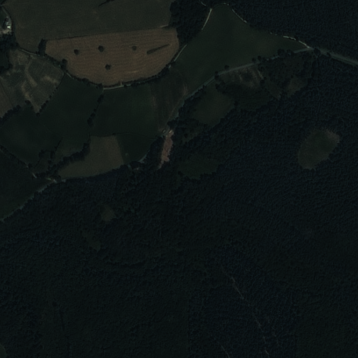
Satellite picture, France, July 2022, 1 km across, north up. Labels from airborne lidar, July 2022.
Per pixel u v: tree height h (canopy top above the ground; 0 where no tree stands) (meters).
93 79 0
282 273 15
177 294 19
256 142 23
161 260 14
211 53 0
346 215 22
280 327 9
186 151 21
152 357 20
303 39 6
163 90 0
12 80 0
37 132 0
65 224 19
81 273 21
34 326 29
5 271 23
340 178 23
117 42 0
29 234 20
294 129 24
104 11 0
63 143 0
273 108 23
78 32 0
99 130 0
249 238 24
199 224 17
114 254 24
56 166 12
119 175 22
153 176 18
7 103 0
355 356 18
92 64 0
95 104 0
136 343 19
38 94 0
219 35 0
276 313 14
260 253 21
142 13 0
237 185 22
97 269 19
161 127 0
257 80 0
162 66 0
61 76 0
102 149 0
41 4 0
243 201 27
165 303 22
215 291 11
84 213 23
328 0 17
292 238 27
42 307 23
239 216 29
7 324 24
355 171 15
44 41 13
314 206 25
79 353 22
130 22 0
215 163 0
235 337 14
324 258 21
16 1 0
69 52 0
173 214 24
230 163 23
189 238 27
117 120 0
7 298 24
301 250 29
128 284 25
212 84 0
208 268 14
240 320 11
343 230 16
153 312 18
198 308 20
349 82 19
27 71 0
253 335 9
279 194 24
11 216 12
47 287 20
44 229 15
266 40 0
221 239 17
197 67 0
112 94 0
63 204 19
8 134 0
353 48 24
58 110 0
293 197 19
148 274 26
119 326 18
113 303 19
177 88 0
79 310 23
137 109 0
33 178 12
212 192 17
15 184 0
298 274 13
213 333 16
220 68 0
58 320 6
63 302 21
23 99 0
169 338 24
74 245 17
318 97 27
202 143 28
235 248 17
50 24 0
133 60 0
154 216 18
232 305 13
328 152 0
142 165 17
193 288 17
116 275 17
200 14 9
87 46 0
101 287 24
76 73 0
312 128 23
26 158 0
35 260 21
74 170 0
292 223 13
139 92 0
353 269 23
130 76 0
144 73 0
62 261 26
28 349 24
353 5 20
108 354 24
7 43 20
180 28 13
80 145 0
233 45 0
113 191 21
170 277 18
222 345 6
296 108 28
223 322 8
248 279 14
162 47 0
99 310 20
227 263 16
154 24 0
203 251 17
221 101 0
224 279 20
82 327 24
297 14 19
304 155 0
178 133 30
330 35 19
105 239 17
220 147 24
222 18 0
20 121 0
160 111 0
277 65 5
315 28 26
